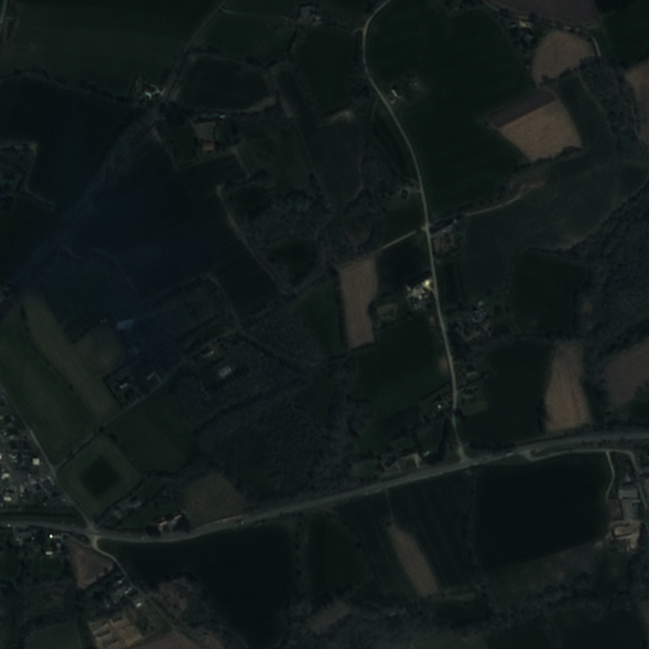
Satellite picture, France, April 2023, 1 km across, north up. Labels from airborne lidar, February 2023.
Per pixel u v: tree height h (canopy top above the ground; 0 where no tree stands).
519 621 14
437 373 0
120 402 7
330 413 8
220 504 0
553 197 0
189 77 0
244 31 0
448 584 0
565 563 0
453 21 0
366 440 0
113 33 0
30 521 0
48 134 0
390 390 0
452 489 0
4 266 0
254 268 0
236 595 0
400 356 0
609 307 17
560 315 0
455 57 0
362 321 0
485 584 10
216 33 0
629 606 14
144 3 0
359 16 0
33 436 0
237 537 0
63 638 0
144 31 0
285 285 8
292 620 29
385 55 0
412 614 24
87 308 0
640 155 17
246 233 12
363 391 0
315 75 0
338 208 0
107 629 0
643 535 14
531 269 0
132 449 0
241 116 6
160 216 0
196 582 12
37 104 0
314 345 14
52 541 6
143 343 6
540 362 0
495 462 0
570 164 0
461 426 0
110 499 0
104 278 0
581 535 0
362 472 0
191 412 19
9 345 0
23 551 8
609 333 7
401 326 0
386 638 11
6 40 0
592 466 0
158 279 0
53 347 0
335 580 0
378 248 15
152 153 0
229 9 0
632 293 11
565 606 11
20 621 10
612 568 0
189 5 0
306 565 0
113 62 0
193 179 0
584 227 0
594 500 0
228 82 0
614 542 24
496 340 19
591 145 0
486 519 0
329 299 0
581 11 0
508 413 0
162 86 7
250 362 16
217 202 0
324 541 0
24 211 0
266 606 0
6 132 0
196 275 0
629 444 7
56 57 0
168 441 0
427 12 0
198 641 6
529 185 0
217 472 13
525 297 0
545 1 0
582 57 0
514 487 0
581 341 17
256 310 9
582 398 0
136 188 0
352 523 0
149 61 0
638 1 0
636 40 0
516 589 0
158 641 0
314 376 0
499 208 0
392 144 0
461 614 0
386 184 11
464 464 0
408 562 0
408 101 0
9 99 0
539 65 0
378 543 0
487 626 16
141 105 9
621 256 16
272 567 0
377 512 0
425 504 0
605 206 0
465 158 0
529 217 0
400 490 0
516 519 0
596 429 9
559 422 0
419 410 0
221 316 13
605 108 8
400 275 0
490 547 0
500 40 0
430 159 0
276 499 19
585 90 0
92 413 0
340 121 0
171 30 0
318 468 12
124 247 0
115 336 0
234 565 0
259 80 0
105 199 0
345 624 10
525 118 0
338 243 12
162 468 0
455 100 0
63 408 0
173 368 13
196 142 10
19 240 0
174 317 0
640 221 17
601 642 0
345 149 0
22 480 0
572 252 9
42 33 0
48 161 0
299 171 0
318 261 13
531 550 0
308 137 0
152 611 0
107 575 18
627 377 0
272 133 0
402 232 0
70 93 0
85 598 13
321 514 0
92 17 0
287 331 19
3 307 11
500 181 0
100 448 0
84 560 0
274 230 17
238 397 16
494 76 0
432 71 0
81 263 11
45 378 0
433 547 0
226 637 12
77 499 0
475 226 0
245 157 0
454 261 0
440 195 0
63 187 0
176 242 0
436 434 0
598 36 0
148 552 0
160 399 0
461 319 0
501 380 0
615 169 0
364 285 0
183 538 0
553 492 0
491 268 0
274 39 0
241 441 0
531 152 0
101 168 12
